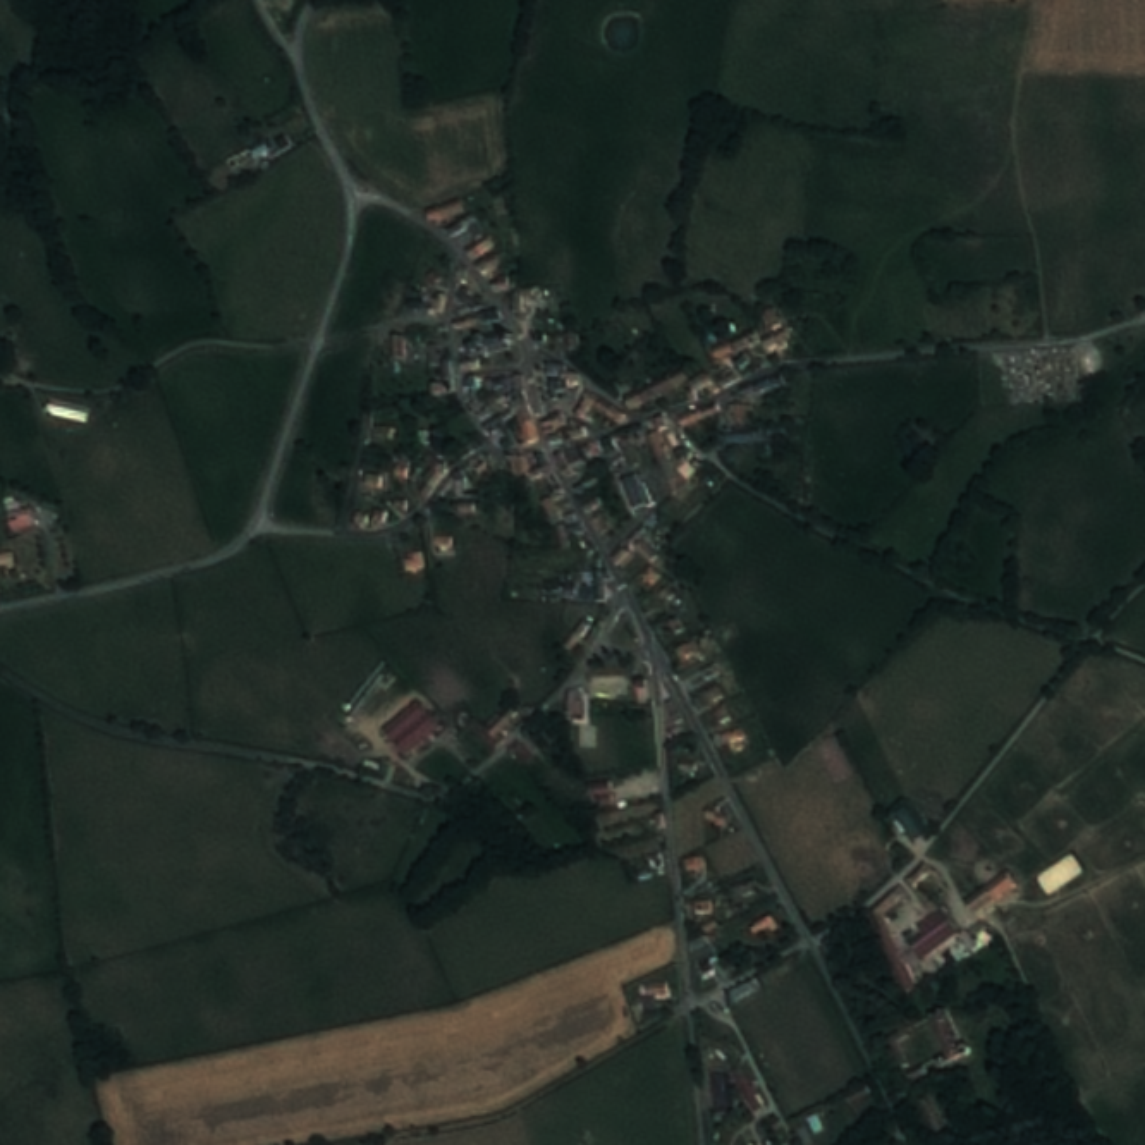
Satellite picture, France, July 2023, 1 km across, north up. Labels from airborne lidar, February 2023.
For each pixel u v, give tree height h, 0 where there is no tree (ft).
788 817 0
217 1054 0
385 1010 0
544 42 0
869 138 20
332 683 0
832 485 0
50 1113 0
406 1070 0
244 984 0
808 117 0
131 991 0
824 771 0
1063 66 0
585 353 29
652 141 0
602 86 0
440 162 0
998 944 26
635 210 0
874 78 0
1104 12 0
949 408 0
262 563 0
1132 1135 0
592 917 0
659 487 0
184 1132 0
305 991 0
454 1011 0
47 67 28
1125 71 0
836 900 0
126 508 0
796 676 0
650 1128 0
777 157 0
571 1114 0
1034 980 0
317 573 0
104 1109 0
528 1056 0
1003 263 0
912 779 0
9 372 52
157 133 0
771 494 26
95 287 0
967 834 0
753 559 0
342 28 0
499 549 0
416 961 0
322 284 0
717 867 0
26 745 0
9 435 0
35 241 0
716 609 0
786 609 0
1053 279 0
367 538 0
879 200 0
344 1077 0
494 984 0
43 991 0
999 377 0
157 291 0
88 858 0
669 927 0
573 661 33
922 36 0
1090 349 0
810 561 0
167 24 40
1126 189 0
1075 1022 0
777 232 0
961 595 27
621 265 0
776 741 0
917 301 0
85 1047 52
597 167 0
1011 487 0
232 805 0
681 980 0
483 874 63
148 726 30
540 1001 0
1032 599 0
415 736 0
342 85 0
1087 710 0
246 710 0
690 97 0
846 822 0
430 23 0
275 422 0
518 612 0
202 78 0
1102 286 0
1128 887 0
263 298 0
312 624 0
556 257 0
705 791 0
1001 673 0
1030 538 0
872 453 0
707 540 0
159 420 0
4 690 0
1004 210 0
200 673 0
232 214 0
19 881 0
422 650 0
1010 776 0
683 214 68
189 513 0
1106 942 0
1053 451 0
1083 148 0
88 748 0
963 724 0
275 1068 0
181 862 0
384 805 0
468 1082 0
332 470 0
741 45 0
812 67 0
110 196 0
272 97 0
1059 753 0
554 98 0
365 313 0
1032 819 0
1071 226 0
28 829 0
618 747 0
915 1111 49
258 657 0
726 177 0
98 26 69
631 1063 0
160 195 0
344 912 0
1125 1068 0
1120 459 0
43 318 0
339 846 0
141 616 0
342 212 0
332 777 34
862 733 0
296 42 0
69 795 0
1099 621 51
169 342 0
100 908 0
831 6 0
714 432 25
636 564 0
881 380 0
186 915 0
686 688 0
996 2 0
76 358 0
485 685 0
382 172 0
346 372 0
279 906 0
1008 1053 57
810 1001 0
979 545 0
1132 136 0
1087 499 0
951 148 0
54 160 0
